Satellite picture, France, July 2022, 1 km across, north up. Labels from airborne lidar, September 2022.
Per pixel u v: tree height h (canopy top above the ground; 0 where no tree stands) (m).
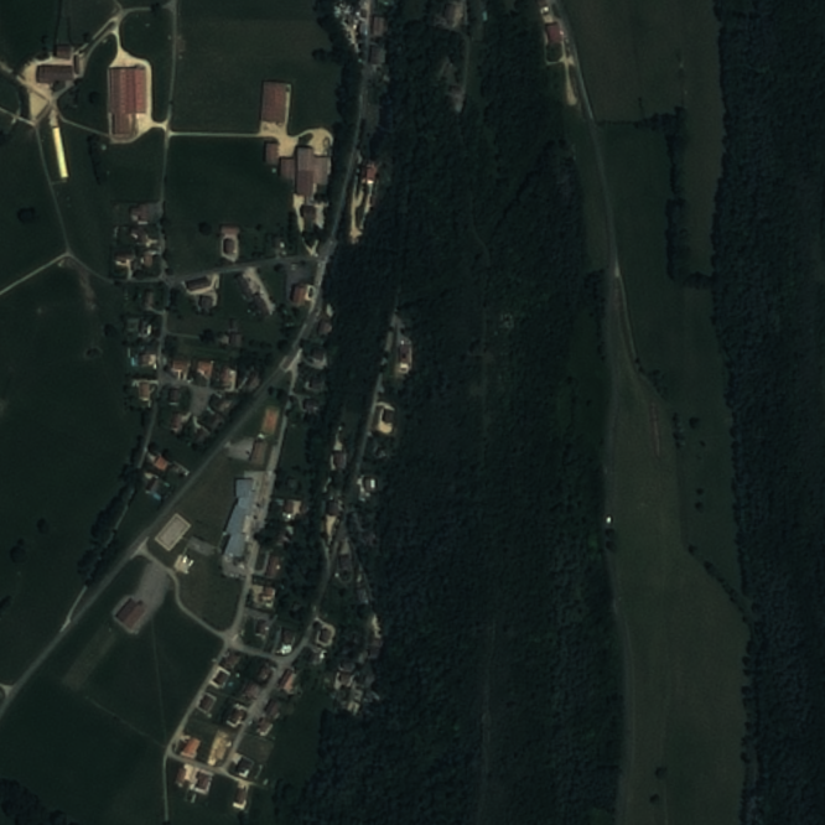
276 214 0
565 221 23
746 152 23
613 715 19
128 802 0
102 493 0
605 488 8
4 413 0
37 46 0
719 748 0
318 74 0
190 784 0
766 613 23
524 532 13
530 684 11
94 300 0
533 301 12
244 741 0
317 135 0
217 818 0
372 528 16
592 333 0
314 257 0
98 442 0
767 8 16
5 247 0
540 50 14
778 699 19
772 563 16
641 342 0
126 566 0
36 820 21
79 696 0
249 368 6
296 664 8
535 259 17
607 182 0
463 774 7
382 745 15
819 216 6
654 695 0
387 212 7
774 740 16
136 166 0
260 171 0
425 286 12
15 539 0
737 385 15
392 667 19
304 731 0
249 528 0
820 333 6
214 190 0
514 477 14
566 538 23
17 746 0
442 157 9
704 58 0
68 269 0
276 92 0
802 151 7
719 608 0
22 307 0
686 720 0
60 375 0
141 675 0
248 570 0
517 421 10
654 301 0
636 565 0
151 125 0
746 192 19
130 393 11
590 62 0
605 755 7
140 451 10
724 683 0
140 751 0
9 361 0
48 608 0
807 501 15
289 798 16
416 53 12
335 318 7
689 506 0
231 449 0
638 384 0
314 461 16
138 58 0
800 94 13
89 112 0
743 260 18
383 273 11
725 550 0
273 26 0
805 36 13
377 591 10
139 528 0
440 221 10
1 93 0
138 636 0
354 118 16
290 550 20
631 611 0
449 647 7
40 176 0
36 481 0
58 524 0
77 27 0
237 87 0
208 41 0
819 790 23
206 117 0
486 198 6
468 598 12
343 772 24
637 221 0
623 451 0
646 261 0
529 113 21
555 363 14
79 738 0
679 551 0
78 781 0
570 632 14
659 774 11
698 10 0
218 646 0
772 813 17
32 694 0
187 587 0
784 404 21
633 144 0
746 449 15
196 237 0
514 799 6
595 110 0
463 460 8
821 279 0
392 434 0
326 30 17
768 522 21
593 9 0
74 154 0
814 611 19
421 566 16
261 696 0
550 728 8
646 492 0
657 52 0
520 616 7
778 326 20
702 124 0
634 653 0
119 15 0
